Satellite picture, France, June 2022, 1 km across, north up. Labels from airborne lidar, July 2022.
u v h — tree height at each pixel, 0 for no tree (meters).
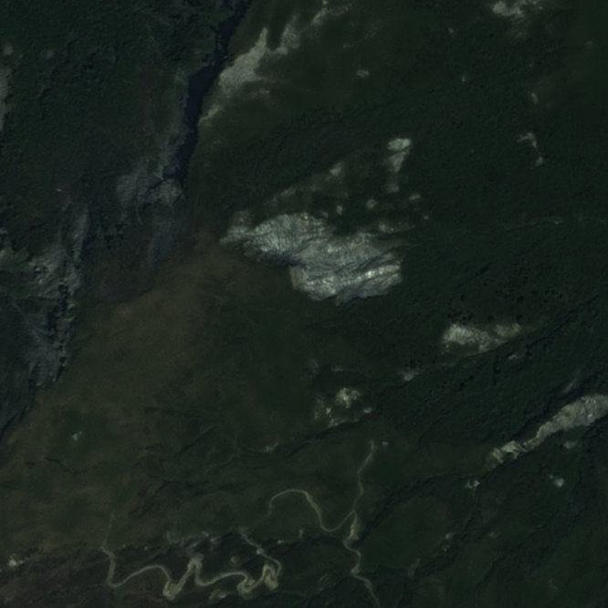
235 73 0
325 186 0
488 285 7
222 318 0
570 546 0
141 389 0
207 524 0
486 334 0
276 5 0
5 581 0
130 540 0
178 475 0
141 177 0
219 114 0
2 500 0
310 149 6
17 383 0
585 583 0
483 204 7
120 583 0
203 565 0
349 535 0
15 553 0
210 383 0
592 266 0
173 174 0
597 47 0
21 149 8
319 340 0
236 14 7
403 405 0
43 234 6
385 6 0
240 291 0
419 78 0
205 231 0
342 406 0
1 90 0
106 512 0
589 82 0
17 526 0
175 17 7
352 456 0
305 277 0
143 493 0
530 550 0
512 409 7
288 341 0
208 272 0
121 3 6
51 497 0
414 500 0
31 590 0
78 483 0
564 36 0
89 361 0
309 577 0
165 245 0
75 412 0
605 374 6
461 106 6
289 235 0
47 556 0
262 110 0
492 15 0
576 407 0
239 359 0
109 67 6
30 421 0
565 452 11
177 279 0
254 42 0
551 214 9
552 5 0
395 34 0
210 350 0
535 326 0
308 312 0
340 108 0
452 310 10
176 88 0
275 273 0
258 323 0
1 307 9
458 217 6
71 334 0
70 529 0
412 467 0
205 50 0
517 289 9
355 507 0
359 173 0
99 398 0
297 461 0
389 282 0
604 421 11
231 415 0
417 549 0
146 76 0
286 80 0
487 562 0
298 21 0
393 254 0
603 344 10
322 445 0
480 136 7
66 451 0
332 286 0
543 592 0
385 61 0
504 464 6
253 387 0
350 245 0
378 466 0
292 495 0
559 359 7
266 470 0
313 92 0
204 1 6
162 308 0
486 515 0
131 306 0
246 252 0
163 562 0
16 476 0
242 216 0
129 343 0
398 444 0
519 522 0
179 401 0
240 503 0
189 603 0
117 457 0
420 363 9
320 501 0
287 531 0
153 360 0
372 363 0
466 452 0
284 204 0
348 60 0
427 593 0
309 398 0
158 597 0
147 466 0
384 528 0
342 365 0
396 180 0
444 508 0
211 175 0
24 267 0
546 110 0
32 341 6
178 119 0
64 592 0
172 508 0
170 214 0
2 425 0
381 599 0
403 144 0
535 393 7
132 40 6
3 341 0
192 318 0
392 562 0
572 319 6
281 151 6
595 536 0
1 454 0
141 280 0
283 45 0
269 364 0
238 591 0
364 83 0
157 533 0
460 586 0
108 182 5
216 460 0
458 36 0
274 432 0
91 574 0
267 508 0
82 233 0
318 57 0
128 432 0
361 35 0
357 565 0
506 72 8
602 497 0
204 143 0
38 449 0
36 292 0
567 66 0
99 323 0
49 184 6
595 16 0
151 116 0
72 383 0
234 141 0
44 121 6
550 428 0
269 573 0
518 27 0
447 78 0
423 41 0
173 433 0
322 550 0
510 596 0
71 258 0
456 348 0
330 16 0
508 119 6
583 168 7
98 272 0
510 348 8
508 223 6
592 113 0
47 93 7
